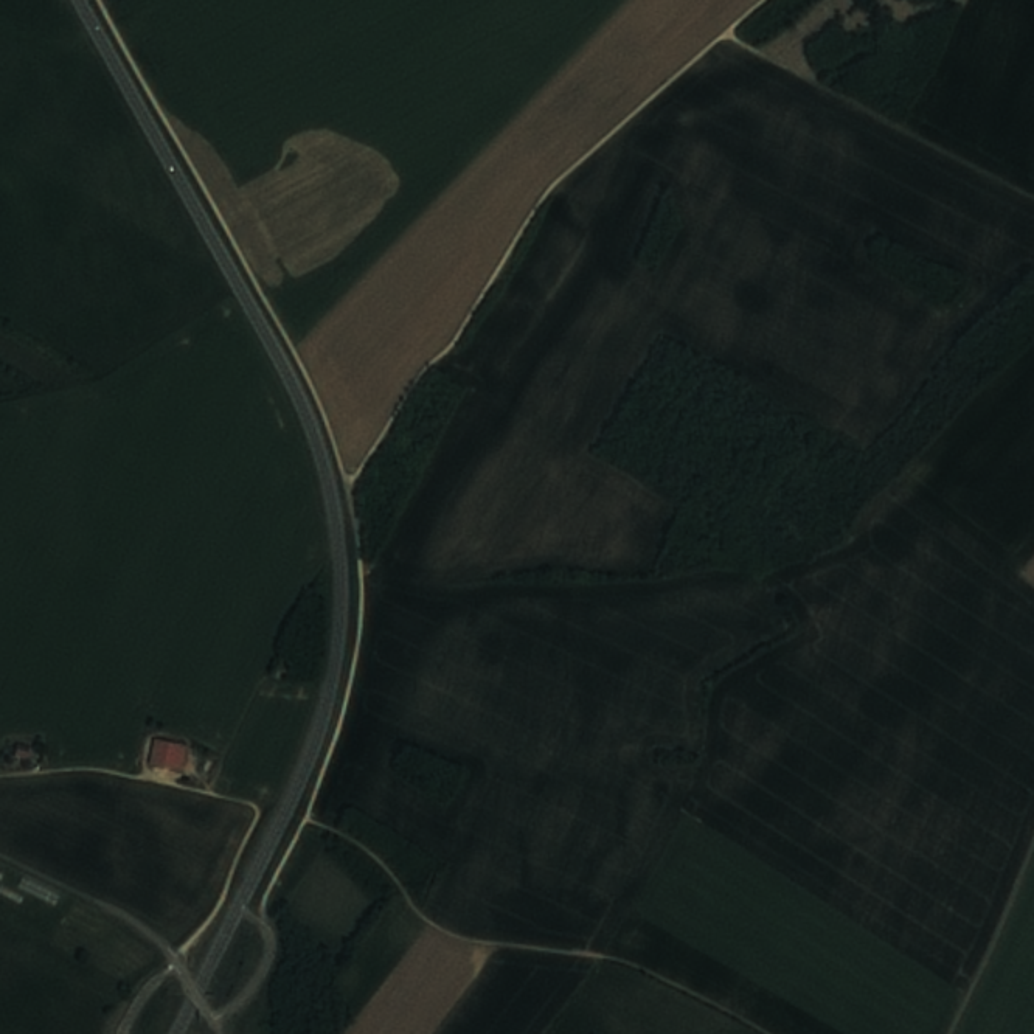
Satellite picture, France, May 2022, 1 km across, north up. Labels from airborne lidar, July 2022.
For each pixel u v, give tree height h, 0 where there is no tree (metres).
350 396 0
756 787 0
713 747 0
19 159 0
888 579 0
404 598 0
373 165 0
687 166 0
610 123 0
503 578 11
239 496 0
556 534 0
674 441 20
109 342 0
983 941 0
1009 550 0
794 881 0
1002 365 13
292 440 0
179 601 0
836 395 0
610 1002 0
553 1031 0
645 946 0
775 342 0
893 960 0
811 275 0
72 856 0
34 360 0
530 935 0
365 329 0
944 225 0
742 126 0
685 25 0
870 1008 0
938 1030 0
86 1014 0
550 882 0
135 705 0
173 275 0
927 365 0
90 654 0
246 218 0
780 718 0
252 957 0
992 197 0
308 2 0
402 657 0
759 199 0
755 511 13
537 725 0
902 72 13
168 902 0
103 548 0
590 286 0
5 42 0
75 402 0
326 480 0
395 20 0
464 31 0
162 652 0
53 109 0
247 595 0
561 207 0
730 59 0
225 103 0
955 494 0
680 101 0
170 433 0
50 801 0
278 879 0
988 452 0
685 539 14
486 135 0
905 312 0
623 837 0
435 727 0
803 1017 0
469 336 13
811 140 0
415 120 0
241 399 0
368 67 0
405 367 0
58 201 0
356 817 12
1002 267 0
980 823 0
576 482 0
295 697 0
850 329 0
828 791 0
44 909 0
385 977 0
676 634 0
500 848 0
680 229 13
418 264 0
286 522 0
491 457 0
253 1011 0
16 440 0
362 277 0
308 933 15
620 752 0
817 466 14
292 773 0
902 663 0
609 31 0
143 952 0
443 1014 0
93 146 0
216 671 0
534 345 0
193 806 0
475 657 0
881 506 0
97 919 0
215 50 0
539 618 0
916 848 0
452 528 0
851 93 13
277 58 0
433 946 0
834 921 0
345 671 0
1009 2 0
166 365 0
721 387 19
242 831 0
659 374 17
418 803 0
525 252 7
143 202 0
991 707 0
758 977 0
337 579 0
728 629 0
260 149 0
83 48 0
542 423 0
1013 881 0
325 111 0
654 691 0
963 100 0
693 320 0
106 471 0
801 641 0
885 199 0
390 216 0
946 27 13
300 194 0
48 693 0
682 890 0
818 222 0
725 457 19
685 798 0
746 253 0
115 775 0
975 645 0
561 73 0
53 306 0
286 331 0
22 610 0
